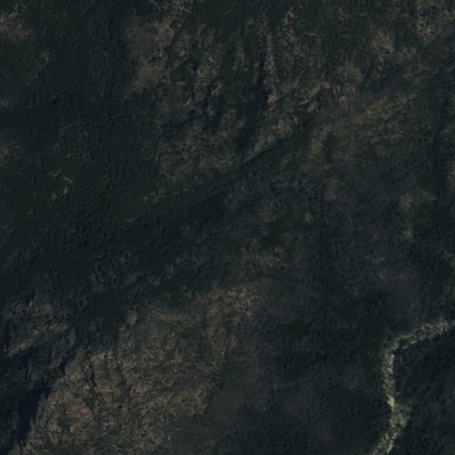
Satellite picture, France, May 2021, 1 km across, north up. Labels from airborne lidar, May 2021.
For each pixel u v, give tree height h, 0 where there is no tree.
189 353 14
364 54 12
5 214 13
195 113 28
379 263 14
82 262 25
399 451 9
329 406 18
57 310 13
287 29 11
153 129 20
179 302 12
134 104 22
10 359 12
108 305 26
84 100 27
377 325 9
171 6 10
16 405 6
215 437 12
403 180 15
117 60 18
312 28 14
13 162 20
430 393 13
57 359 7
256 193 8
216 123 8
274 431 19
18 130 19
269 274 6
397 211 13
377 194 17
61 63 20
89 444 5
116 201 18
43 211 19
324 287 16
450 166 7
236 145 9
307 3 15
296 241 18
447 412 17
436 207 13
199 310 13
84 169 19
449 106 16
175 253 17
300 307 20
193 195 17
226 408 19
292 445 18
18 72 14
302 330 11
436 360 16
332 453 18
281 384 19
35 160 17
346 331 8
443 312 17
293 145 15
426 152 8
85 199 22
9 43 17
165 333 6
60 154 18
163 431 15
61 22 17
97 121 24
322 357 13
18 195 18
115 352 17
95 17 21
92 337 18
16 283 14
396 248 22
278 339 20
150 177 16
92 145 23
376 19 15
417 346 6
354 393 6
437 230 21
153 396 14
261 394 19
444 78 16
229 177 21
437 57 14
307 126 19
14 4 18
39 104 22
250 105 11
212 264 20
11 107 18
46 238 21
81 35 17
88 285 20
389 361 0
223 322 6
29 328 15
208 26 15
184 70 18
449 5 22
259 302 19
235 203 16
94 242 22
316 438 17
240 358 19
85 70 16
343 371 16
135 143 16
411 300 21
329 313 14
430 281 16
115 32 21
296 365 6
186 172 17
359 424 20
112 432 8
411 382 8
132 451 0
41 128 21
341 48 15
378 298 9
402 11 13
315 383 19
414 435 5
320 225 6
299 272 26
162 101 15
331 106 17
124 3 22
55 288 15
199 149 9
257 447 17
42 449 6
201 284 19
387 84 16
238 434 17
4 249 15
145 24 7
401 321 28
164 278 14
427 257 10
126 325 10
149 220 22
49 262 21
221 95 7
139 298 16
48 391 6
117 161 18
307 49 8
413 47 8
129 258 19
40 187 19
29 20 19
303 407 18
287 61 10
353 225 23
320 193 20
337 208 20
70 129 17
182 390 14
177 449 15
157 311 13
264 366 20
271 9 14
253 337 21
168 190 18
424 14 7
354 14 16
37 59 13
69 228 19
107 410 6
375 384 27
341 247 15
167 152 9
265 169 18
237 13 12
